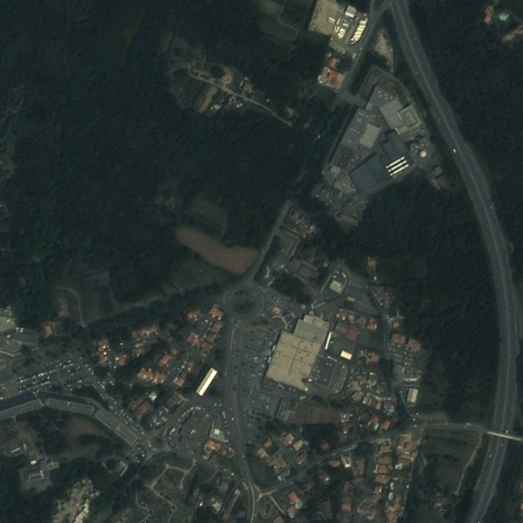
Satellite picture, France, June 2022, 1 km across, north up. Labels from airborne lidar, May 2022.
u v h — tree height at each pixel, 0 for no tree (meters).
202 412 0
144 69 22
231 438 0
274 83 19
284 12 7
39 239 30
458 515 9
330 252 13
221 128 23
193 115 21
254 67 23
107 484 28
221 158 15
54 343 25
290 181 17
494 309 19
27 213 21
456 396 12
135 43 9
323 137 21
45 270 22
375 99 0
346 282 0
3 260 19
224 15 22
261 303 0
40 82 23
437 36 22
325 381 0
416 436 0
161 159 27
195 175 25
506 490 8
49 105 24
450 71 23
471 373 12
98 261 31
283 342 0
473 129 25
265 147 23
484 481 0
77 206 22
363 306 0
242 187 19
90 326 9
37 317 25
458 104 25
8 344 0
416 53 0
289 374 0
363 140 0
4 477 19
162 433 0
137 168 24
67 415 18
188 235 0
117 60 0
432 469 18
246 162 22
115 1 13
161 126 13
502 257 0
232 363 0
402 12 0
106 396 0
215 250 0
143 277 23
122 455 6
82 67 15
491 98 20
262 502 0
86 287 0
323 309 0
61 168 15
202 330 0
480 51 29
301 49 10
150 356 6
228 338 0
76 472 24
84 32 23
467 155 0
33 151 23
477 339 27
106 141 23
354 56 0
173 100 26
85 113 26
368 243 28
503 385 0
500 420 0
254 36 33
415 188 13
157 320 25
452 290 28
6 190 11
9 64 28
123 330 18
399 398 7
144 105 9
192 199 16
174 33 16
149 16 13
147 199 25
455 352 18
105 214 22
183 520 0
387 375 8
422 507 0
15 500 32
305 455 0
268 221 14
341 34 0
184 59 0
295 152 22
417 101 9
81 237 28
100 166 26
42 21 17
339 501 15
